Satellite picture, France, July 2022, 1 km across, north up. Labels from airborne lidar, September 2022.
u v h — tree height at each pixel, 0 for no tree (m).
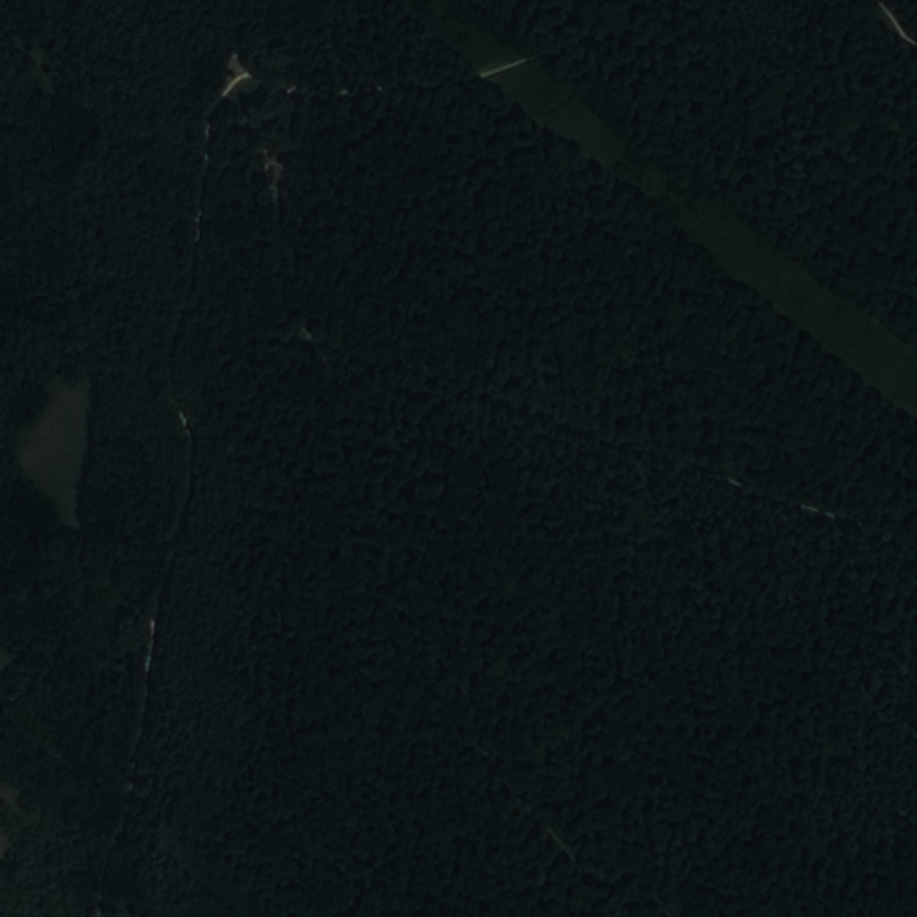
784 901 24
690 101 16
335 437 20
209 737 8
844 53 30
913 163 17
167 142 20
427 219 25
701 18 30
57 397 0
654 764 24
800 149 12
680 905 21
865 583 22
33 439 0
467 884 26
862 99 23
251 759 24
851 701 25
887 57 28
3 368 26
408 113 27
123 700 23
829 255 23
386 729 30
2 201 23
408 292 23
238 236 29
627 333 21
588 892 22
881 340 0
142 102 17
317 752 22
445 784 26
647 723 25
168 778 19
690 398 19
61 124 23
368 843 25
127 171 16
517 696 24
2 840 0
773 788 24
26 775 21
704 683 23
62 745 11
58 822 7
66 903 10
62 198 23
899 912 25
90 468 23
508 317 24
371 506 21
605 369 16
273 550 23
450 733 26
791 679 25
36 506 11
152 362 26
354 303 20
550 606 24
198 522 22
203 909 19
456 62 22
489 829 24
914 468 27
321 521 24
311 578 23
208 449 23
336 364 26
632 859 24
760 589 26
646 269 22
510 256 26
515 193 25
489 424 29
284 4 25
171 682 22
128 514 33
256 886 16
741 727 24
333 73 28
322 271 23
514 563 27
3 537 27
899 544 31
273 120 19
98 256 17
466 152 26
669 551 29
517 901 28
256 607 19
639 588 26
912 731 19
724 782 23
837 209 28
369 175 24
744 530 27
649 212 24
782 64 22
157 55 17
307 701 23
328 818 24
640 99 26
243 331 27
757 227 22
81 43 23
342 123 27
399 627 25
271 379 26
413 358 25
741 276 0
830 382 25
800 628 21
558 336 24
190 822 23
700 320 21
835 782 32
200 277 27
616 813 22
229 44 8
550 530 27
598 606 25
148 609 21
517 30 19
